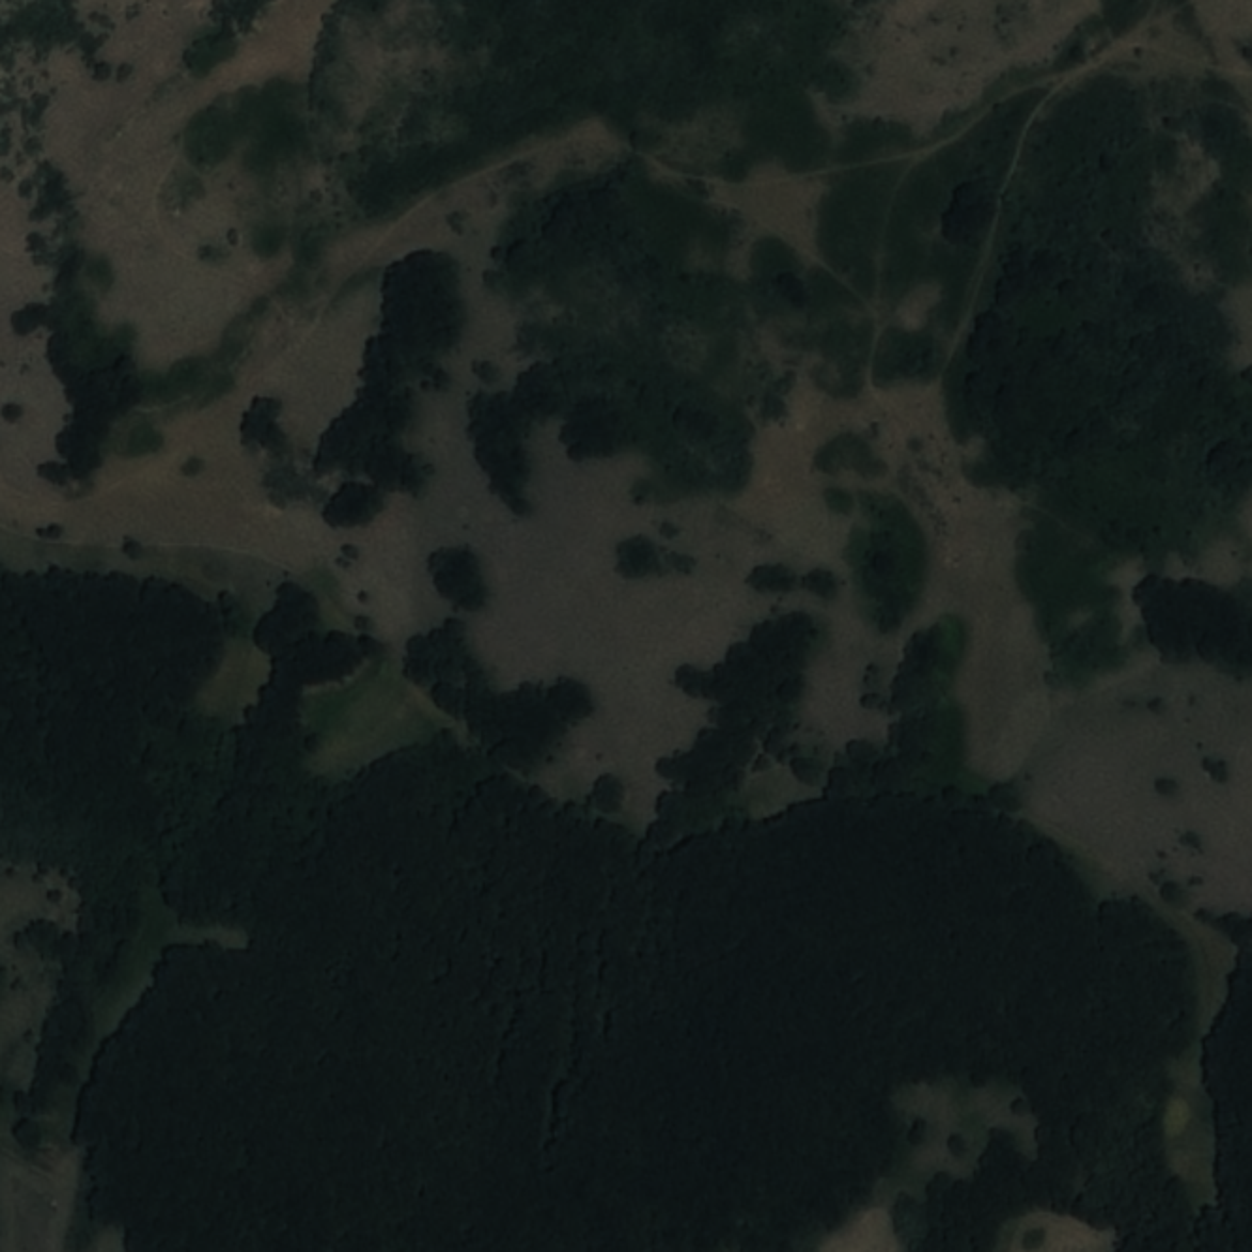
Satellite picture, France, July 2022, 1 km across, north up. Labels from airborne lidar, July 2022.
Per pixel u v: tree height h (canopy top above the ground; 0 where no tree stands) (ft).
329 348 0
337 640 61
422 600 0
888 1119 37
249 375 0
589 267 0
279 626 58
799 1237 18
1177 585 42
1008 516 0
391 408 45
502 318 0
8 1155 0
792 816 56
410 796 67
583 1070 45
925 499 0
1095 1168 36
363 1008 64
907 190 0
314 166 0
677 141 0
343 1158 51
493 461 29
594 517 0
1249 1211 59
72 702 61
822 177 0
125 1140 58
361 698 0
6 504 0
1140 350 34
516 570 0
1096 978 48
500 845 74
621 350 0
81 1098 30
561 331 0
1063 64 0
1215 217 0
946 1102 0
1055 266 37
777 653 49
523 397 25
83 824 26
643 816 0
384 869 70
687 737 0
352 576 0
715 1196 41
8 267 0
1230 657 24
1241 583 0
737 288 0
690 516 0
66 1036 45
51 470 41
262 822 61
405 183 24
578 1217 52
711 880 56
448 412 0
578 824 57
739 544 0
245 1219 31
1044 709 0
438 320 54
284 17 0
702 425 40
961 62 0
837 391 0
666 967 42
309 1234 45
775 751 48
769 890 56
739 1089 53
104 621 65
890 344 0
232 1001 52
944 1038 45
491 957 58
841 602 0
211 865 59
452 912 65
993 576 0
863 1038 46
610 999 54
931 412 0
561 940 49
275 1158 56
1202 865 0
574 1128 52
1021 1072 25
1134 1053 59
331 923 65
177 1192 41
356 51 0
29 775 40
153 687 69
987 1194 62
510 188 0
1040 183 0
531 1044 75
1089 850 0
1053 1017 49
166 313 0
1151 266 21
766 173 0
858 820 73
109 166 0
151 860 43
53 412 0
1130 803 0
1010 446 21
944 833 66
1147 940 51
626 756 0
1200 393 31
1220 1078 61
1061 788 0
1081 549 0
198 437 0
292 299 0
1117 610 0
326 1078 59
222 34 19
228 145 0
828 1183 41
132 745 79
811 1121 47
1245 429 26
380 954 66
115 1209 45
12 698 64
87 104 0
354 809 53
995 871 62
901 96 0
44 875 35
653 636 0
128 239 0
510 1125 65
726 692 42
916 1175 0
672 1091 49
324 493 0
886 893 57
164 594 62
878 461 0
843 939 54
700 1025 46
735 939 52
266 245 0
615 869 51
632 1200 51
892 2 0
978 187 30
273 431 50
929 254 0
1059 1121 48
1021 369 31
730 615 0
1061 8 0
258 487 0
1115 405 22
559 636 0
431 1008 65
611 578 0
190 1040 57
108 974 72
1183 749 0
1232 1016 56
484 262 0
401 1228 46
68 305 25
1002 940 58
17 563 0
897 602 44
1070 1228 0
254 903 52
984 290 0
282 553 0
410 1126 53
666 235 0
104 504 0
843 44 0
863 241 0
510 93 19
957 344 0
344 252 0
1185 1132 0
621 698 0
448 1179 61
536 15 19
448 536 0
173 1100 50
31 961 0
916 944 51
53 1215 0
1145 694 0
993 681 0
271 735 56
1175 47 0
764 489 0
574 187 19
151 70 0
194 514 0
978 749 0
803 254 0
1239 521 0
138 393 58
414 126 17
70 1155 0
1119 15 0
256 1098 55
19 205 0
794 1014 52
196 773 48
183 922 23
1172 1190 47
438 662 24
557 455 0
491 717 37
